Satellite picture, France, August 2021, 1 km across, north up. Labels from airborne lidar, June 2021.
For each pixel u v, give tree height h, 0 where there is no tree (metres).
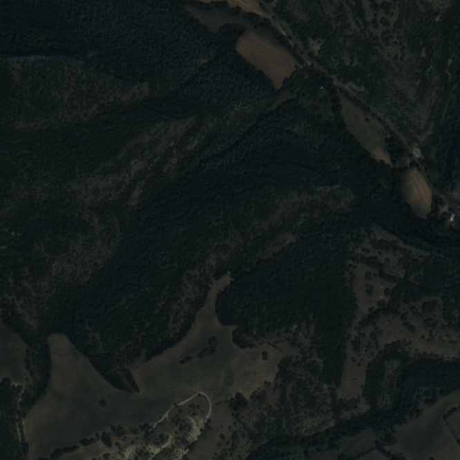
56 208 6
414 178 0
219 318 8
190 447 12
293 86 9
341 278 10
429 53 10
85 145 8
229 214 7
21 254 11
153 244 9
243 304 7
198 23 11
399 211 14
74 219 11
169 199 9
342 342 8
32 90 7
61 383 0
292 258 9
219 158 16
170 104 9
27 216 10
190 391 0
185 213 7
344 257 9
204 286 7
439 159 12
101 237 7
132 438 0
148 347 8
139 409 0
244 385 0
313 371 8
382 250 9
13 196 7
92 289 11
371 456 0
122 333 10
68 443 0
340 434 8
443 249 7
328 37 6
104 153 6
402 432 0
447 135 8
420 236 13
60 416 0
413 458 0
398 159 9
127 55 10
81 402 0
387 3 6
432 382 6
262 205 6
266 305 8
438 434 0
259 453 9
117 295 12
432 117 7
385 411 12
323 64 8
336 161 9
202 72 13
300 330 8
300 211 7
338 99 10
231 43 10
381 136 0
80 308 9
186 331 7
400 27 6
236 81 9
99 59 10
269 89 11
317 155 9
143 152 7
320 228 10
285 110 13
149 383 0
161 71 7
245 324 9
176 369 0
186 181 8
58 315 10
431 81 7
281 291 8
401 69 6
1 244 6
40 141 9
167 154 9
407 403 10
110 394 0
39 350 6
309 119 8
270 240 7
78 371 0
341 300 11
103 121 6
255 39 0
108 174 7
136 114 7
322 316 13
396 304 10
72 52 6
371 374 12
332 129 13
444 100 9
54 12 10
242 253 6
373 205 10
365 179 8
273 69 0
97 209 9
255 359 0
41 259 7
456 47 10
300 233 9
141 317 8
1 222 8
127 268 9
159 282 7
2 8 11
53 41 11
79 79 7
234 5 0
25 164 7
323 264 8
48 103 7
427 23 7
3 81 9
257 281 9
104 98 7
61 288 6
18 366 0
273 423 6
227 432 0
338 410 9
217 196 9
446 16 10
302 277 9
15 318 9
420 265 10
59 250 7
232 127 8
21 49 10
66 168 6
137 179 9
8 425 9
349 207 8
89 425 0
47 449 0
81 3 8
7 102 6
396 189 17
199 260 9
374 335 9
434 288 11
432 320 7
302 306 10
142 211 7
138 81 7
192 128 7
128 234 6
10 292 7
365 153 10
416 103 7
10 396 8
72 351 0
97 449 0
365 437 0
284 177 6
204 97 12
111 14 6
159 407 0
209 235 6
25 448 12
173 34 11
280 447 7
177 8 9
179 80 7
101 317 10
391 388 8
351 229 8
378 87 8
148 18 11
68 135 7
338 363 11
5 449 9
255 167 7
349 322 8
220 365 0
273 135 8
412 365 10
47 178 7
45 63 6
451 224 0
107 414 0
